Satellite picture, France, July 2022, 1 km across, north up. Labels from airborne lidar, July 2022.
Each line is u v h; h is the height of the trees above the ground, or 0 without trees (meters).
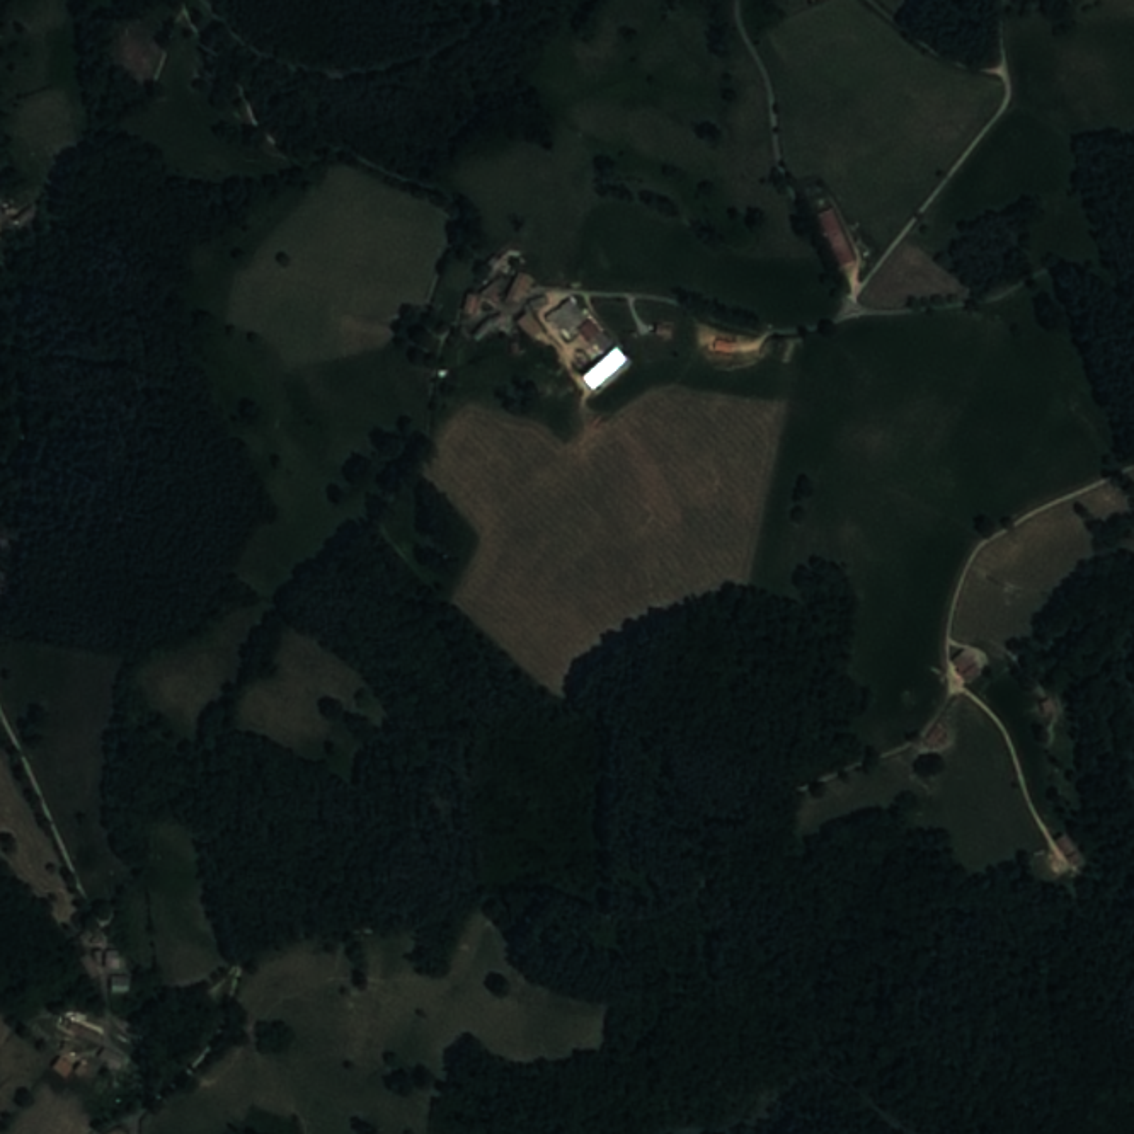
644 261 0
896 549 0
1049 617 17
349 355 0
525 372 0
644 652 28
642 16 0
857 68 0
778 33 0
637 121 0
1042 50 0
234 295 0
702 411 0
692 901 21
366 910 19
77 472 20
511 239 0
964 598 0
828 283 10
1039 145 0
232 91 18
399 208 0
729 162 0
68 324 29
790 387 0
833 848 22
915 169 0
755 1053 19
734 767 27
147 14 6
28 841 0
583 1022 0
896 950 28
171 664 0
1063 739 0
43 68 0
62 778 0
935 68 0
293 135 21
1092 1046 21
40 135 0
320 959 0
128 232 26
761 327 24
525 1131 20
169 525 21
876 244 0
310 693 0
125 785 15
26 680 0
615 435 0
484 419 0
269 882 20
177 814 21
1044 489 0
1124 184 21
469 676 20
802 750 17
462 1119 16
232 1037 13
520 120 26
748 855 20
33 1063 0
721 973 27
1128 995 22
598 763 7
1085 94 0
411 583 12
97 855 0
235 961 28
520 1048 0
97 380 24
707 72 0
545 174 0
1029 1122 33
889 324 0
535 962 33
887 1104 23
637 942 20
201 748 10
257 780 18
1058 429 0
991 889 21
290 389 0
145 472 24
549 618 0
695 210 0
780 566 0
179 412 21
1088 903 14
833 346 0
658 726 21
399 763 25
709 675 14
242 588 15
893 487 0
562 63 0
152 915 6
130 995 7
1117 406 36
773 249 0
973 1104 22
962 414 0
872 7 0
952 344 0
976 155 0
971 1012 30
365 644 21
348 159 14
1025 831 0
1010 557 0
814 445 0
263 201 13
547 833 6
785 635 22
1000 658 0
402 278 0
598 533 0
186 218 25
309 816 19
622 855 33
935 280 0
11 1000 7
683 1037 15
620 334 0
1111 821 17
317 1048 0
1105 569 21
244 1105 0
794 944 28
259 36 16
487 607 0
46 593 19
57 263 25
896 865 31
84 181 23
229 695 14
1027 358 0
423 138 23
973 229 15
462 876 28
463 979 0
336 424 0
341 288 0
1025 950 8
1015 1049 27
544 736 6
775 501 0
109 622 23
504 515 0
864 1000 22
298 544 0
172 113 0
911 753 0
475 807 10
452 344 6
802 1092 22
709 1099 12
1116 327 32
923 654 0
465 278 0
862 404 0
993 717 0
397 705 22
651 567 0
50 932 17
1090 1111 29
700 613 19
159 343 22
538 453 0
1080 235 0
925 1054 29
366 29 14
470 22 25
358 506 0
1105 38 0
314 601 23
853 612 20
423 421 0
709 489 0
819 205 0
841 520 0
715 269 0
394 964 0
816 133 0
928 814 0
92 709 0
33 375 23
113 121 15
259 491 16
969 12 33
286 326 0
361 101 21
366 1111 0
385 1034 0
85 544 19
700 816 24
